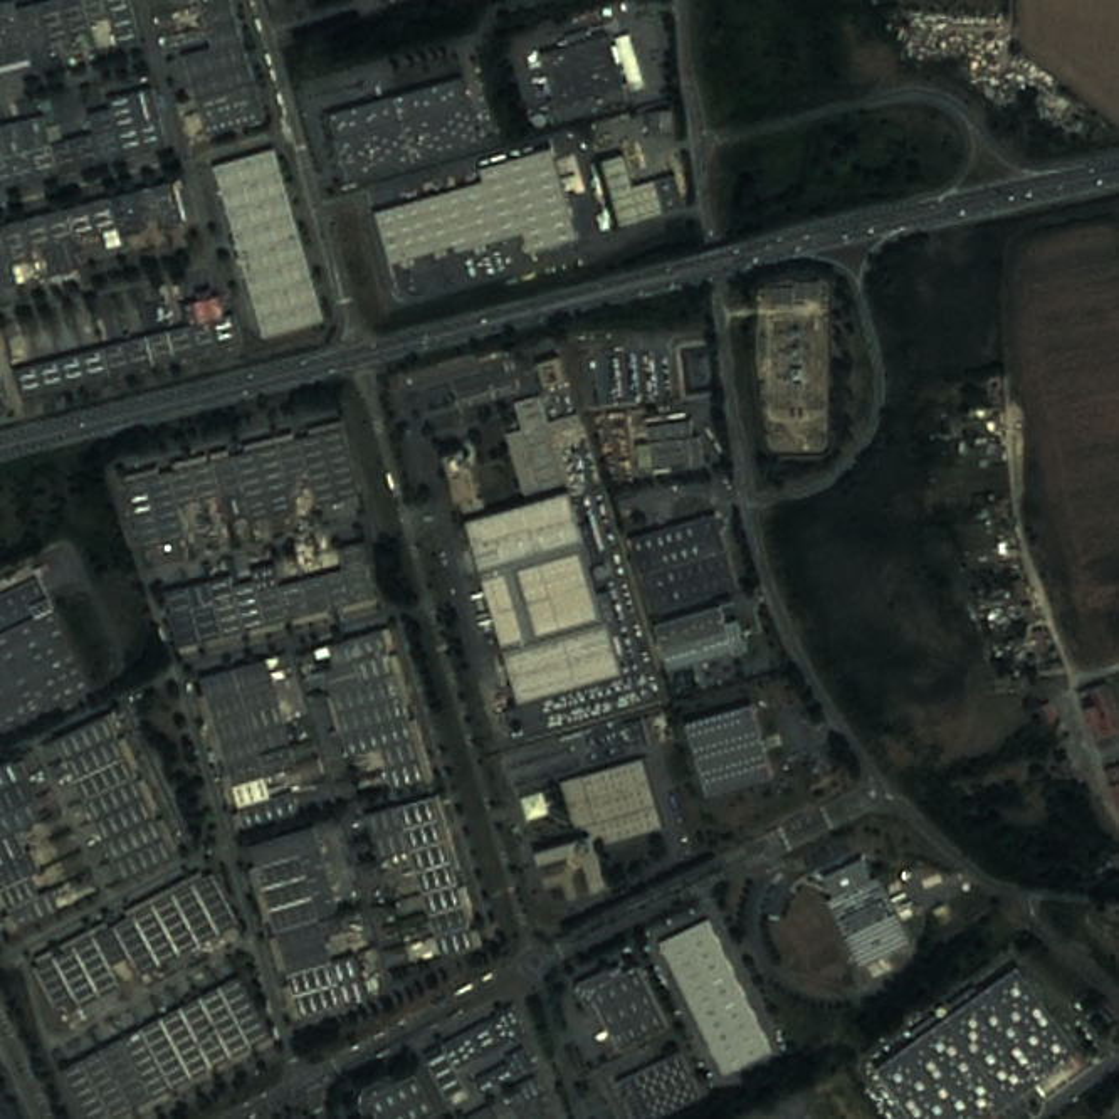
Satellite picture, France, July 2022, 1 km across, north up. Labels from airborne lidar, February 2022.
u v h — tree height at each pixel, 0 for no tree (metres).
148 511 0
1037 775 13
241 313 0
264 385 0
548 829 0
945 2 0
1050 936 0
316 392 12
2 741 12
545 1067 0
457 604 0
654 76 0
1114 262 0
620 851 0
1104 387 0
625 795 0
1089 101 0
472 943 0
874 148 0
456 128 0
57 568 0
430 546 0
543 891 0
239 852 0
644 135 0
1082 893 7
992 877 0
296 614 0
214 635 0
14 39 0
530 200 0
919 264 0
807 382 0
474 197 0
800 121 0
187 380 0
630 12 0
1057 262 0
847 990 0
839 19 0
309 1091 0
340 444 0
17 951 0
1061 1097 0
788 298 0
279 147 0
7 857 0
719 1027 0
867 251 0
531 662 0
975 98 0
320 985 0
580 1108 0
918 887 0
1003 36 0
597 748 0
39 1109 0
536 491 0
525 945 0
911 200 0
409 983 0
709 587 0
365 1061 0
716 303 0
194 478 0
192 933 0
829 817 0
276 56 0
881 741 0
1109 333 0
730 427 18
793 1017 0
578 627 0
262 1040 0
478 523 0
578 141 0
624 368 0
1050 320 0
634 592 0
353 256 0
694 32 0
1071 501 0
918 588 0
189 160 0
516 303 0
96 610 0
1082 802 16
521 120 9
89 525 0
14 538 0
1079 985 0
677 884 0
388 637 0
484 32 0
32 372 0
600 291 0
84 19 0
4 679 0
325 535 0
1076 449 0
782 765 0
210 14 0
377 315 0
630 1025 0
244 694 0
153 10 0
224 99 0
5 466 0
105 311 0
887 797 0
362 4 0
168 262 10
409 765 0
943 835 0
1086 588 0
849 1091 0
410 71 0
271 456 0
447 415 0
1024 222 0
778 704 0
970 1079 0
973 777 7
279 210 0
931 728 0
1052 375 0
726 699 0
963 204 0
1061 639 0
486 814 0
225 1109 0
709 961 0
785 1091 17
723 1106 12
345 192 0
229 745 0
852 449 0
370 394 0
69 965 0
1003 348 0
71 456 0
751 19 0
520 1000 0
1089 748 0
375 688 0
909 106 0
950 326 0
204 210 0
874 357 0
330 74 0
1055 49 0
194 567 0
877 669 0
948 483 0
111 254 0
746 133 0
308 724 0
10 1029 0
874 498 0
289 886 0
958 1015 0
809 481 0
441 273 0
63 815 0
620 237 0
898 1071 0
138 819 0
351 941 0
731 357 0
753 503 0
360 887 0
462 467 0
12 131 0
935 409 0
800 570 0
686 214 0
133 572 10
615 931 0
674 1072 0
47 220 0
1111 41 0
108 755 0
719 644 0
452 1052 0
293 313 0
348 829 0
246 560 0
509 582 0
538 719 0
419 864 0
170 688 7
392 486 0
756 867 0
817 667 0
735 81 0
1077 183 0
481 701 0
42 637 0
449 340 0
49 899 0
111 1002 0
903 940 0
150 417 0
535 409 0
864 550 0
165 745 12
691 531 0
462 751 0
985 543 0
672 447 0
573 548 0
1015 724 0
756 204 21
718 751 0
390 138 0
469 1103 0
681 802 0
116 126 0
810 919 0
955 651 0
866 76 0
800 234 0
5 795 0
